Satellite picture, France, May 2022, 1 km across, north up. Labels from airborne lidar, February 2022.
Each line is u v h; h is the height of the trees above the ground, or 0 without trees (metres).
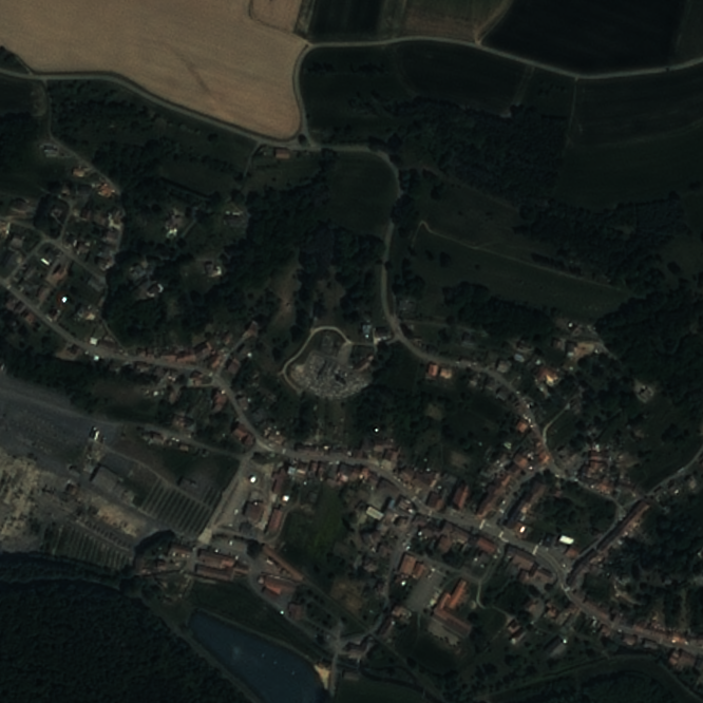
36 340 0
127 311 6
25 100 0
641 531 0
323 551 0
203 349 0
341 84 0
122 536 0
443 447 0
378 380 10
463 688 8
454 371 0
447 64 0
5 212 0
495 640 0
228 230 0
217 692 23
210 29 0
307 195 21
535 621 0
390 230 0
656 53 0
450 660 0
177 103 0
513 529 0
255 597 0
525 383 0
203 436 10
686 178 0
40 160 0
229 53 0
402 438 0
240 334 0
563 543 0
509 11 0
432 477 0
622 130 0
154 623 29
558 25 0
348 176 0
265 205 13
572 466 0
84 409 0
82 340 0
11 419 0
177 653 25
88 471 0
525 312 21
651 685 16
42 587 19
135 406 0
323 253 27
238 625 0
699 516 0
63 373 14
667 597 9
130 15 0
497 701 0
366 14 0
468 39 0
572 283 0
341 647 0
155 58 0
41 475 0
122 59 0
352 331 0
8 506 0
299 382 0
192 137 0
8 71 0
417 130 19
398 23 0
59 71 0
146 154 16
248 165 0
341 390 0
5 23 0
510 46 0
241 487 0
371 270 0
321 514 0
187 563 0
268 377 0
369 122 0
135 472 0
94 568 9
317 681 0
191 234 0
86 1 0
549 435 0
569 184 0
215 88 0
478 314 23
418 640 0
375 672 0
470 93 0
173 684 21
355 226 0
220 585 0
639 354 22
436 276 0
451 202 0
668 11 0
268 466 0
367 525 0
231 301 31
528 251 0
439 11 0
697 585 0
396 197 0
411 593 0
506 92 0
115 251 0
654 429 0
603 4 0
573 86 0
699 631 8
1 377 0
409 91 0
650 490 0
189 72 0
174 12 0
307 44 0
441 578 0
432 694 0
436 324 0
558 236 19
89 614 24
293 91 0
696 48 0
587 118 0
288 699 0
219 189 0
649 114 0
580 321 0
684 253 0
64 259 0
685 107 0
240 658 0
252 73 0
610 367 8
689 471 0
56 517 0
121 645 25
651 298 12
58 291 0
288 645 0
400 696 0
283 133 0
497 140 21
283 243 30
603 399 19
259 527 0
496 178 23
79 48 0
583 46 0
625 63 0
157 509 0
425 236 0
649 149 0
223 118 0
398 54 0
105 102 7
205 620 0
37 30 0
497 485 0
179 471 0
